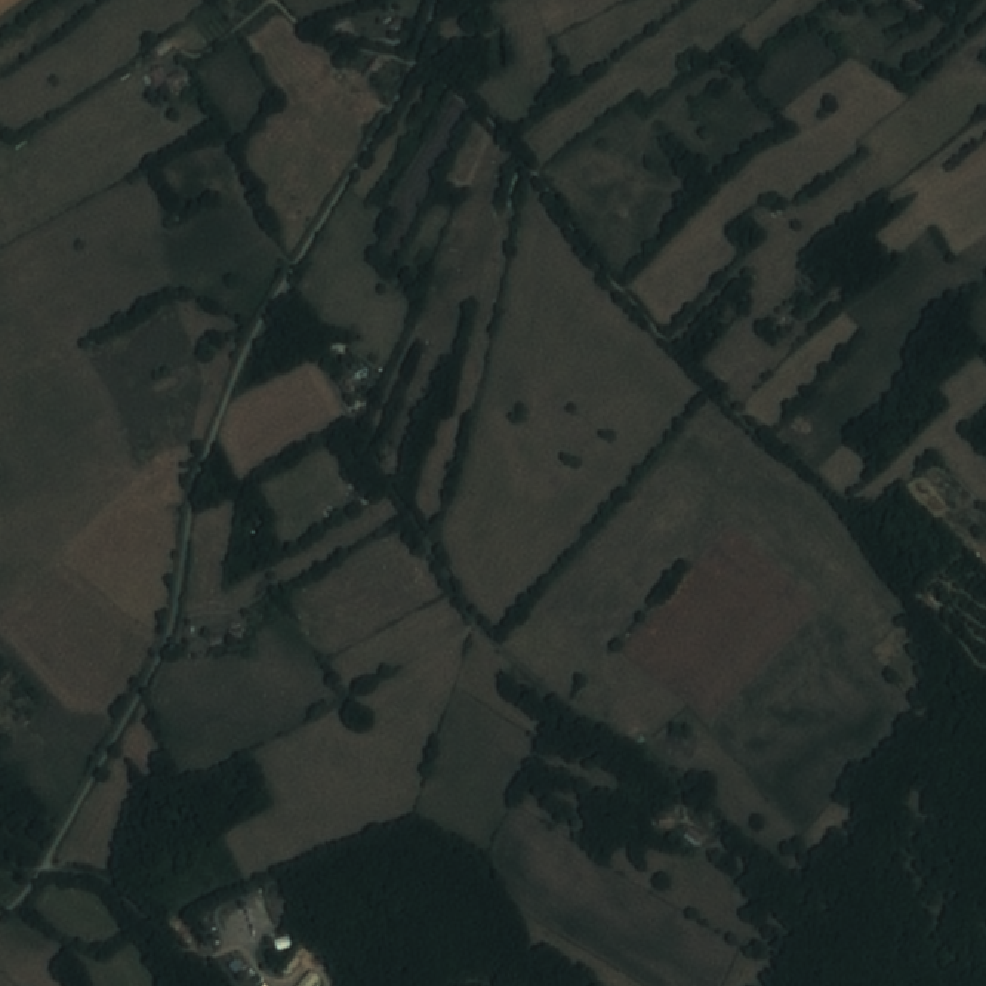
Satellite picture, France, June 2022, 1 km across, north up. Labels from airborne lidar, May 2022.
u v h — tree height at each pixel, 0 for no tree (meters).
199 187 0
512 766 0
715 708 0
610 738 20
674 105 0
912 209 0
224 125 15
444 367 13
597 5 0
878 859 16
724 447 0
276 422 0
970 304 9
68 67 0
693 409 11
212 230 0
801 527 0
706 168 14
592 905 0
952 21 8
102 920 0
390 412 9
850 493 11
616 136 0
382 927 11
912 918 16
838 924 16
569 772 9
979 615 8
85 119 0
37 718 0
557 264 0
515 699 12
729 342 0
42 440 0
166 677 0
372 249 13
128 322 15
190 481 12
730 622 0
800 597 0
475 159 0
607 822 18
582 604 0
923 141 0
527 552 0
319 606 0
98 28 0
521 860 0
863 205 8
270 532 13
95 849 0
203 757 0
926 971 17
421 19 13
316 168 0
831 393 0
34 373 0
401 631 0
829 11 11
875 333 0
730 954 0
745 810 0
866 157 7
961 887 16
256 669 0
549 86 12
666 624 0
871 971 14
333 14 14
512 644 0
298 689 0
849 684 0
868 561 8
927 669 15
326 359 15
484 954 15
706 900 0
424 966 16
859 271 15
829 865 16
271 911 0
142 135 0
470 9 16
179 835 15
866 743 0
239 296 0
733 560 0
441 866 17
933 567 13
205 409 0
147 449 0
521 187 13
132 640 0
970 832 16
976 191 0
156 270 0
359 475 16
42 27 0
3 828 10
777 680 0
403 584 0
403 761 0
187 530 0
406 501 13
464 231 0
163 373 9
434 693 0
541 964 21
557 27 0
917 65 13
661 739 0
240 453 0
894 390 10
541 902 0
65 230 0
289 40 0
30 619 0
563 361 0
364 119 0
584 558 0
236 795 6
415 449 16
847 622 0
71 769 0
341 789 0
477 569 0
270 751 0
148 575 0
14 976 0
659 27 7
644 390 0
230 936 0
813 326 11
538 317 0
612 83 0
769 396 0
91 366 0
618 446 0
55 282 0
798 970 16
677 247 0
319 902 17
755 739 0
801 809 0
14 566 0
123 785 0
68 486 0
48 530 0
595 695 0
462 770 0
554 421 0
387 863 15
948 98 0
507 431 0
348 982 11
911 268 0
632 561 0
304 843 0
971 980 14
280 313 19
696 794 15
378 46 9
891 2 8
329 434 9
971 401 0
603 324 0
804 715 0
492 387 0
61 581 0
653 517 0
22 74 0
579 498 0
